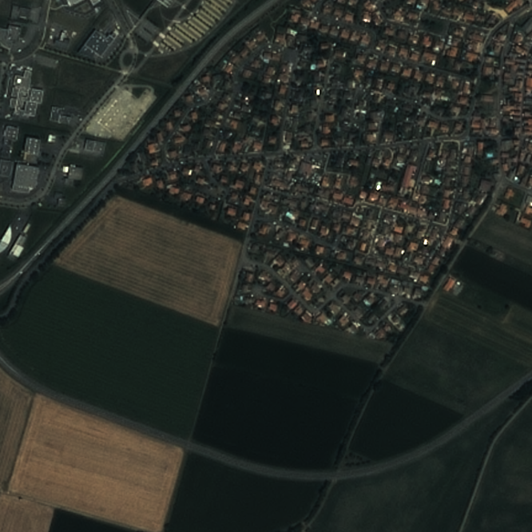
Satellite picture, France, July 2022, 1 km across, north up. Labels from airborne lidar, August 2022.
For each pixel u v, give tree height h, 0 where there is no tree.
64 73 0
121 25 0
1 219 0
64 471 0
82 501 0
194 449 0
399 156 0
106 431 0
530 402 0
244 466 0
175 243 0
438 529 0
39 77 0
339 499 0
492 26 6
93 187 0
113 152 0
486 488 0
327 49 6
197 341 0
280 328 0
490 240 0
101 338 0
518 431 0
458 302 0
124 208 0
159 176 10
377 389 16
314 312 0
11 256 0
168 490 0
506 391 0
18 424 0
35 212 0
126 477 0
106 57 0
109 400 0
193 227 0
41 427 0
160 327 0
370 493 0
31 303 0
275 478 0
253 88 12
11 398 0
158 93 0
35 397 0
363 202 0
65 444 0
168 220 0
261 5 0
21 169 0
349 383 0
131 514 0
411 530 0
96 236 0
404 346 0
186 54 0
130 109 0
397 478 0
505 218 8
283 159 6
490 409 0
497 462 0
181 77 7
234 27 0
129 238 0
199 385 0
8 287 0
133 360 0
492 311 0
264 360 0
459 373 0
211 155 0
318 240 0
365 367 0
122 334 0
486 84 7
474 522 0
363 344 0
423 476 0
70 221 0
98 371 0
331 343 0
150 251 0
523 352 0
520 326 0
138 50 0
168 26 0
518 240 0
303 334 0
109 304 0
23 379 0
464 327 0
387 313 0
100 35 0
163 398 0
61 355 0
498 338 0
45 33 0
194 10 0
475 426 0
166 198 10
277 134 9
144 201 0
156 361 0
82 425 0
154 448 0
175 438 0
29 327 0
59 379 0
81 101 0
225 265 0
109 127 0
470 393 0
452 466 0
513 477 0
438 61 0
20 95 0
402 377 0
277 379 0
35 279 9
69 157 0
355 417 7
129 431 0
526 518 0
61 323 0
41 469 0
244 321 0
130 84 0
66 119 0
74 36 0
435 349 0
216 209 7
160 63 0
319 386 0
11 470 0
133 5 0
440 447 0
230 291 0
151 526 0
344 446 10
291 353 0
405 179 0
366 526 0
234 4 0
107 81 0
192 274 0
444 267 14
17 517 0
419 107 5
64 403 0
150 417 0
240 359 0
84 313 0
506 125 15
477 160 7
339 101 6
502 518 0
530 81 0
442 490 0
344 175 0
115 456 0
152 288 0
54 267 0
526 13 0
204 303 0
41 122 0
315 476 0
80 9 0
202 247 0
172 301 0
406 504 0
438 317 0
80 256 0
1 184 0
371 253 0
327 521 0
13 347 0
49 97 0
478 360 0
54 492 0
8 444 0
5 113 0
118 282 0
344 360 0
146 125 0
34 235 0
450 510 0
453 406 0
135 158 6
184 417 0
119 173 9
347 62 7
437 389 0
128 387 0
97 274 0
